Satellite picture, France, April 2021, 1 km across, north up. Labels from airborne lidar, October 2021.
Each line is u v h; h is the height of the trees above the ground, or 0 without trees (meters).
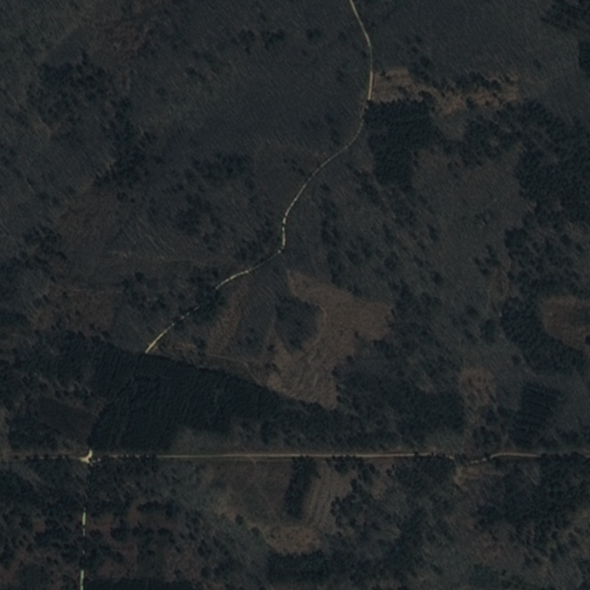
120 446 16
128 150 16
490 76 17
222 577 22
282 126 20
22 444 24
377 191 15
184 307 12
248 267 10
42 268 23
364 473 24
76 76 21
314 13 17
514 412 8
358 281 18
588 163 25
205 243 13
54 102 21
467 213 11
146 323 15
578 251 14
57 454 20
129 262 9
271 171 9
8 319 23
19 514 17
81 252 10
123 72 15
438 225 18
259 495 0
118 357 24
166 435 22
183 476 11
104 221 5
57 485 23
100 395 23
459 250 13
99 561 20
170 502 9
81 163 17
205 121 15
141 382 20
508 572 13
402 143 23
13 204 14
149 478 21
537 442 18
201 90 15
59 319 19
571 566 16
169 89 15
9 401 22
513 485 12
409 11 16
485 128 24
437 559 15
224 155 17
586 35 17
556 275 15
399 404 21
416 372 15
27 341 20
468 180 10
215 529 10
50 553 10
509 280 8
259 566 15
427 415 22
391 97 17
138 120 17
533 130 14
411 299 29
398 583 25
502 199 14
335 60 16
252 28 17
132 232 15
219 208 15
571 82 17
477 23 18
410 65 14
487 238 11
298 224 9
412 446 21
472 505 8
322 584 19
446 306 12
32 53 27
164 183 15
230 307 15
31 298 18
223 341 6
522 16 13
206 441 12
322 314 17
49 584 7
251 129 18
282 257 13
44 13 23
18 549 17
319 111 20
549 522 16
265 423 20
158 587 11
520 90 15
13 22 19
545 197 25
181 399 22
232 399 20
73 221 7
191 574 8
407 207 19
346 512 28
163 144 8
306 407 15
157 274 7
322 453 13
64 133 14
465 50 15
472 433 9
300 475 19
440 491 25
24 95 19
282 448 14
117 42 8
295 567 22
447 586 14
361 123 14
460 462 11
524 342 27
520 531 16
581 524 14
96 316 7
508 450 10
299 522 22
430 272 18
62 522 16
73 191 16
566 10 17
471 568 13
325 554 13
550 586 15
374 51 13
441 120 10
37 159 16
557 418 12
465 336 16
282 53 11
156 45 13
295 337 15
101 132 14
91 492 19
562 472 22
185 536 8
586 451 14
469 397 13
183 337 15
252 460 0
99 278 6
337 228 16
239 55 17
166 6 5
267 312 13
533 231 14
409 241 16
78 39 13
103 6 10
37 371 22
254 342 11
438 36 17
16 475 16
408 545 24
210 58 19
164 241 17
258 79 18
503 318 10
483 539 10
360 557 12
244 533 21
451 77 17
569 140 23
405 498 21
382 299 15
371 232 17
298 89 19
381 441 23
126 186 7
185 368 15
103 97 17
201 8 17
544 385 15
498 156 16
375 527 13
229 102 18
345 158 15
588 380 14
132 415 16
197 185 21
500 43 17
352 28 14
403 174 25
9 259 14
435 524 18
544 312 15
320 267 13
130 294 20
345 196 15
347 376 19
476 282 13
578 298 22
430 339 30
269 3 17
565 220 18
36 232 15
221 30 21
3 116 22
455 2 18
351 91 15
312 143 17
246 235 13
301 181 10
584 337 6
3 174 15
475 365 15
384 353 29
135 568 7
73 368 24
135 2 6
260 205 16
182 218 16
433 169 14
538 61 17
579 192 28
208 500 13
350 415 17
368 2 24
